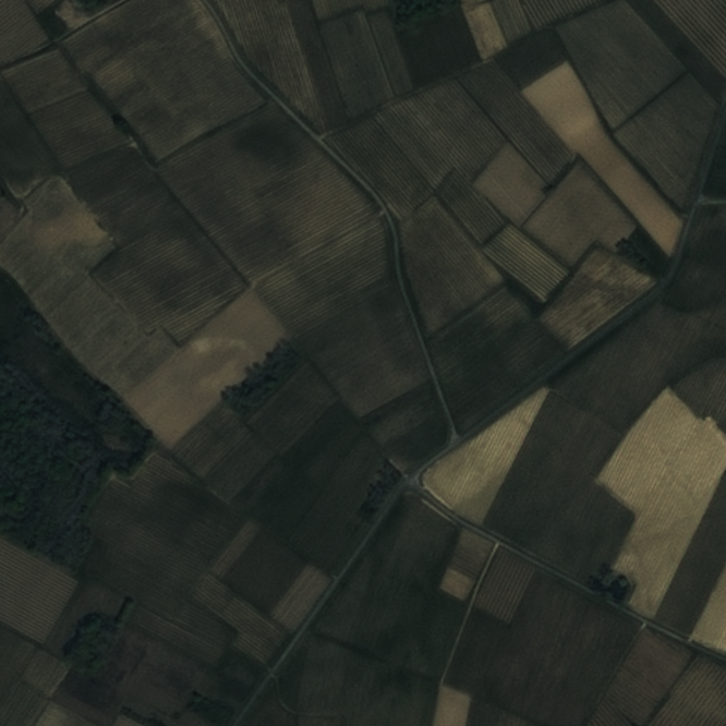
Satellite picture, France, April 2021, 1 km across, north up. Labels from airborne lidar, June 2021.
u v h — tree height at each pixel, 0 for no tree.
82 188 0
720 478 0
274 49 0
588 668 0
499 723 0
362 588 0
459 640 0
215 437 0
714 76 0
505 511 0
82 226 0
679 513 0
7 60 0
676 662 0
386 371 0
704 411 0
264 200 0
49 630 0
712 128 0
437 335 0
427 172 0
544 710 0
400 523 0
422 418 0
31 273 0
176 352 0
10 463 23
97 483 14
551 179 0
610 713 0
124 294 0
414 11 18
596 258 0
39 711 0
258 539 0
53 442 20
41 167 0
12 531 15
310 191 0
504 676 0
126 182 0
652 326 0
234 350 0
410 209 0
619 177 0
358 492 0
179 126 0
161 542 0
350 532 0
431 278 0
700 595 0
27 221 0
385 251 0
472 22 0
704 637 0
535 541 0
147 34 0
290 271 0
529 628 0
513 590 0
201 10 0
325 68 0
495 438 0
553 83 0
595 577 0
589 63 0
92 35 0
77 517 15
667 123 0
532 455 0
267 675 0
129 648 0
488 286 0
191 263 0
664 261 0
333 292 0
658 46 0
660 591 0
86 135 0
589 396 0
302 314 0
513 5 0
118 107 0
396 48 0
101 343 0
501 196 0
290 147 0
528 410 0
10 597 0
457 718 0
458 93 0
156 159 0
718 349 0
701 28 0
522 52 0
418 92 0
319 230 0
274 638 0
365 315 0
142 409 0
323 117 0
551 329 0
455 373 0
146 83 0
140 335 0
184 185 0
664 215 0
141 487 0
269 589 0
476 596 0
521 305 0
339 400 0
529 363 0
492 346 0
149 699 0
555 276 0
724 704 0
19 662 0
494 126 0
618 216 0
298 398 0
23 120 0
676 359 0
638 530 0
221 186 0
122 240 0
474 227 0
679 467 0
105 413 16
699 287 0
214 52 0
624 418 0
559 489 0
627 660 0
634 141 0
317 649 0
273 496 0
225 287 0
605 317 0
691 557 0
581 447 0
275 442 0
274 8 0
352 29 0
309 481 0
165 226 0
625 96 0
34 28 0
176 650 0
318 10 0
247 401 13
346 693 0
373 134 0
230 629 0
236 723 0
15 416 24
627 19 0
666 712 0
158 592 0
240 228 0
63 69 0
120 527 0
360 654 0
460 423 0
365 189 0
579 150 0
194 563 0
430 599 0
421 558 0
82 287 0
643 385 0
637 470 0
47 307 0
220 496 0
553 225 0
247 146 0
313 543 0
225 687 0
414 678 0
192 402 0
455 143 0
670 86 0
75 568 14
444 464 0
